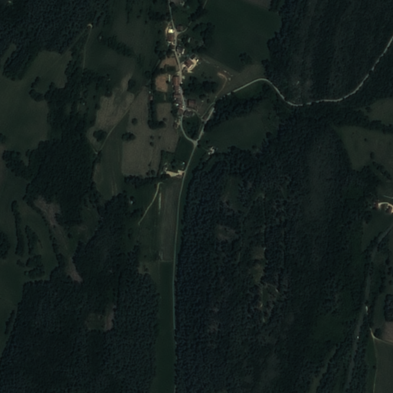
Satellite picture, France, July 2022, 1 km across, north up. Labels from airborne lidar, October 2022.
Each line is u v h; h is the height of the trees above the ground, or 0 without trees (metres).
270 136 23
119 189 0
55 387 11
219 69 0
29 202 12
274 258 28
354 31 8
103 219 14
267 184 13
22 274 0
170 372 0
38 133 0
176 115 6
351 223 26
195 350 14
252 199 6
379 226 0
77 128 12
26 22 19
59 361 12
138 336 19
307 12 7
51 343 14
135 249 6
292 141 15
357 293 14
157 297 22
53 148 14
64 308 15
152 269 0
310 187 6
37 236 16
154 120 10
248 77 0
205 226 18
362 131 0
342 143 19
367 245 0
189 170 0
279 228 21
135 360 19
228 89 0
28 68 12
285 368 16
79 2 17
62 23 16
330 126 20
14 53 11
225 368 21
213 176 10
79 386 24
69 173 7
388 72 11
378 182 14
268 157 14
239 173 21
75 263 17
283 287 24
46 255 0
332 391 20
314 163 5
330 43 10
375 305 9
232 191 0
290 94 10
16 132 0
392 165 0
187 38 6
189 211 17
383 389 0
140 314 10
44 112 0
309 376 21
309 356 7
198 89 17
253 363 17
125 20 0
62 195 6
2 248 9
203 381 22
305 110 15
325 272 18
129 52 7
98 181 0
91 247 12
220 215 14
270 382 6
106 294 19
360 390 16
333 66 12
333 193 11
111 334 19
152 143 9
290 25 14
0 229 0
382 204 0
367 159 0
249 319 21
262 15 0
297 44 8
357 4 6
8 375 17
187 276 23
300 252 15
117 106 0
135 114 0
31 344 8
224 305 16
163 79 0
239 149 0
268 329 13
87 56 0
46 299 18
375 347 0
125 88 0
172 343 0
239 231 8
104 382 16
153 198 0
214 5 0
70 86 13
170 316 0
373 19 6
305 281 18
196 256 15
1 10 14
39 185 9
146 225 0
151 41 0
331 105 17
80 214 19
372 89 9
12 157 15
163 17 13
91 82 13
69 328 14
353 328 12
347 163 17
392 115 0
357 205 10
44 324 14
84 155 13
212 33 16
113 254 19
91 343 15
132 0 10
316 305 19
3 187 0
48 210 0
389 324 0
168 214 0
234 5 0
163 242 0
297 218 11
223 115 34
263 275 0
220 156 17
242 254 6
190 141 0
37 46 12
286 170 14
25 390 22
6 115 0
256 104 25
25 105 0
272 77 23
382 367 0
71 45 20
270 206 12
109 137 0
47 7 16
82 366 22
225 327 16
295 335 16
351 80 8
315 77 12
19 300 0
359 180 17
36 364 16
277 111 21
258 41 0
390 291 0
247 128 0
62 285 13
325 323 0
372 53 7
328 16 12
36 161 8
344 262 6
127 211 18
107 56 0
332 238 18
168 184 0
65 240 0
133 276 20
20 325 15
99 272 8
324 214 7
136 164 0
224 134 0
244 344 12
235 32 0
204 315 18
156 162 0
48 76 0
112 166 0
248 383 7
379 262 0
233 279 12
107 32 0
